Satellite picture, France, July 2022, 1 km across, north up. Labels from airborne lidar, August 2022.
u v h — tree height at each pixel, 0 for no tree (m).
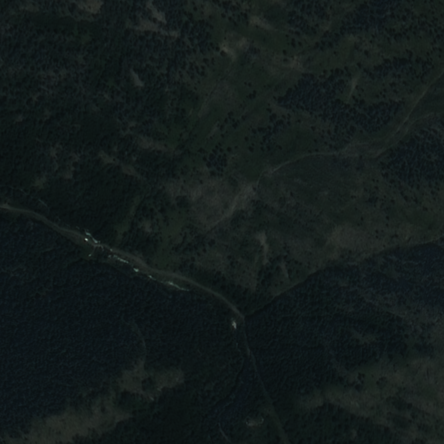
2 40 18
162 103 8
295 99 17
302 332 7
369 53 14
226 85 0
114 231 10
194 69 10
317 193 0
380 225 0
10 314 40
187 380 17
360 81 0
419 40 7
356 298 12
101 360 32
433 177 18
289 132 0
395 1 14
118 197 10
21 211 0
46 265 29
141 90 7
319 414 13
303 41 8
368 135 0
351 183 0
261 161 0
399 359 0
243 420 13
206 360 20
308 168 0
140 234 14
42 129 20
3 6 9
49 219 18
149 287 24
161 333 25
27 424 8
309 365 25
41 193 14
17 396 26
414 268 7
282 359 22
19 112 14
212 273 8
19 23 8
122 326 9
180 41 20
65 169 18
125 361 19
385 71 12
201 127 0
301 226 6
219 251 0
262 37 0
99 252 10
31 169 15
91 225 22
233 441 22
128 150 10
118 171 15
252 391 19
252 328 26
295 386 27
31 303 30
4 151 16
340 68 0
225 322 24
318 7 14
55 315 24
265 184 0
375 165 0
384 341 18
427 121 0
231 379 25
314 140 0
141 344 11
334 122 17
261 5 0
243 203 0
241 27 0
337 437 19
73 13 21
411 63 10
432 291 12
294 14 10
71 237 0
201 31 12
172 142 0
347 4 0
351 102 0
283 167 0
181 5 18
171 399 29
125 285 21
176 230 0
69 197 12
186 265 12
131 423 23
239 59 0
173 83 17
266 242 0
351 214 0
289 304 18
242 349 17
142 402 24
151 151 6
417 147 11
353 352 24
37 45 21
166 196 7
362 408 11
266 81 0
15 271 10
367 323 10
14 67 7
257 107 0
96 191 14
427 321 0
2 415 23
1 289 25
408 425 7
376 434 7
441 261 16
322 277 8
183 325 29
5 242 36
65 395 13
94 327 17
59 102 11
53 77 10
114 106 9
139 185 16
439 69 0
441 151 16
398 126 0
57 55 7
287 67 0
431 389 0
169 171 6
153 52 15
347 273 8
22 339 32
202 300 7
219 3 12
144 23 0
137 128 6
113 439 29
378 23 8
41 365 28
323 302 16
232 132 0
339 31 0
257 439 10
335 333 7
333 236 7
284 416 7
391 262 16
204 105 0
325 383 14
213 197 0
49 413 8
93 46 6
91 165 7
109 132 10
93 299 23
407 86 10
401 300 10
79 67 12
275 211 7
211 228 0
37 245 11
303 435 9
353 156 0
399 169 9
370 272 12
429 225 0
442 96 0
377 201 8
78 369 20
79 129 7
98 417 0
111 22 20
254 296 11
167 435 32
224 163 11
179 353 24
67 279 19
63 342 22
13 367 27
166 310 31
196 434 21
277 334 21
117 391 8
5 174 19
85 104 8
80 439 15
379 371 0
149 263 6
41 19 9
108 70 9
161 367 13
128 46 9
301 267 9
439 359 0
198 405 22
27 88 16
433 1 9
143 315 29
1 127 19
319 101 18
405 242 7
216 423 14
